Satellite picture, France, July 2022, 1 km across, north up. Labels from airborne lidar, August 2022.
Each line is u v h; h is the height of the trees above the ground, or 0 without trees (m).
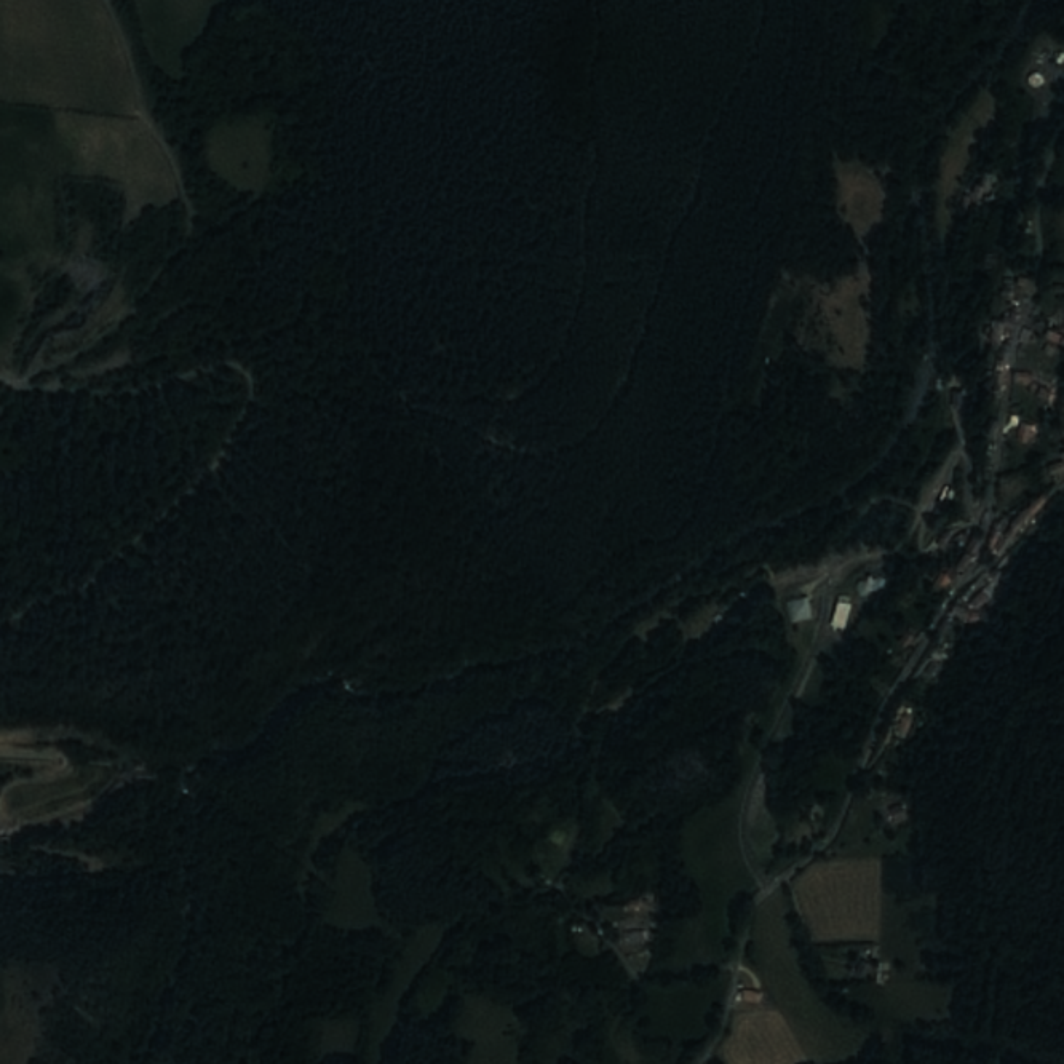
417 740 16
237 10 24
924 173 20
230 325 12
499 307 20
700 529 18
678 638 10
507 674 12
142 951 14
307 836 7
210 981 19
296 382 17
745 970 0
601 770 17
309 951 12
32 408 14
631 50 15
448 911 16
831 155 15
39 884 14
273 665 9
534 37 15
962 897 16
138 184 0
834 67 25
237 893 14
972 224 14
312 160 19
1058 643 25
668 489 20
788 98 23
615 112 19
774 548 15
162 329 12
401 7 21
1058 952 19
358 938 16
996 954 25
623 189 20
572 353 17
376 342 21
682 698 13
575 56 15
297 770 14
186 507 20
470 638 16
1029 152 18
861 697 8
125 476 23
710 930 0
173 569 22
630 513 16
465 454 16
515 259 16
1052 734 21
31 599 8
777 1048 0
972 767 22
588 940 0
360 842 9
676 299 23
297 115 22
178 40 0
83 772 0
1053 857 28
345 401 13
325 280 8
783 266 19
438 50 16
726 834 0
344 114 22
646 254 16
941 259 14
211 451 12
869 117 20
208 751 10
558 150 17
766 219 22
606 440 19
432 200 18
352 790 8
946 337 17
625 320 17
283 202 21
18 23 0
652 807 8
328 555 19
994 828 22
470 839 14
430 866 21
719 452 22
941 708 8
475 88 24
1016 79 0
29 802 0
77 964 17
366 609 16
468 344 16
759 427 17
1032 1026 18
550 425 16
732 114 20
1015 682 20
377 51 21
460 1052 17
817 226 21
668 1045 8
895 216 16
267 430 23
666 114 19
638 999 17
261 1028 19
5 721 6
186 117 11
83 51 0
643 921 0
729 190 22
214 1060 14
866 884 0
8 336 0
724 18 18
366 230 16
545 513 17
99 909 22
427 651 17
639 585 14
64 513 21
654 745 16
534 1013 22
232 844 23
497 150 21
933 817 17
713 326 21
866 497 17
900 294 6
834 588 0
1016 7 18
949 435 9
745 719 23
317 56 12
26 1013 0
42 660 16
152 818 10
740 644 14
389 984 13
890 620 19
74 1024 14
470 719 12
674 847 17
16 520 15
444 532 8
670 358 20
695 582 10
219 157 0
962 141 0
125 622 17
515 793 17
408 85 20
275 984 18
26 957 15
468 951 17
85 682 19
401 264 19
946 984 15
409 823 17
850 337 0
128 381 7
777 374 22
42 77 0
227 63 14
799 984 0
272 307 15
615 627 14
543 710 24
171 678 13
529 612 23
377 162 24
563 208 16
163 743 20
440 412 11
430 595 14
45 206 0
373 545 22
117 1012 9
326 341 10
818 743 15
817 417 19
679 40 17
